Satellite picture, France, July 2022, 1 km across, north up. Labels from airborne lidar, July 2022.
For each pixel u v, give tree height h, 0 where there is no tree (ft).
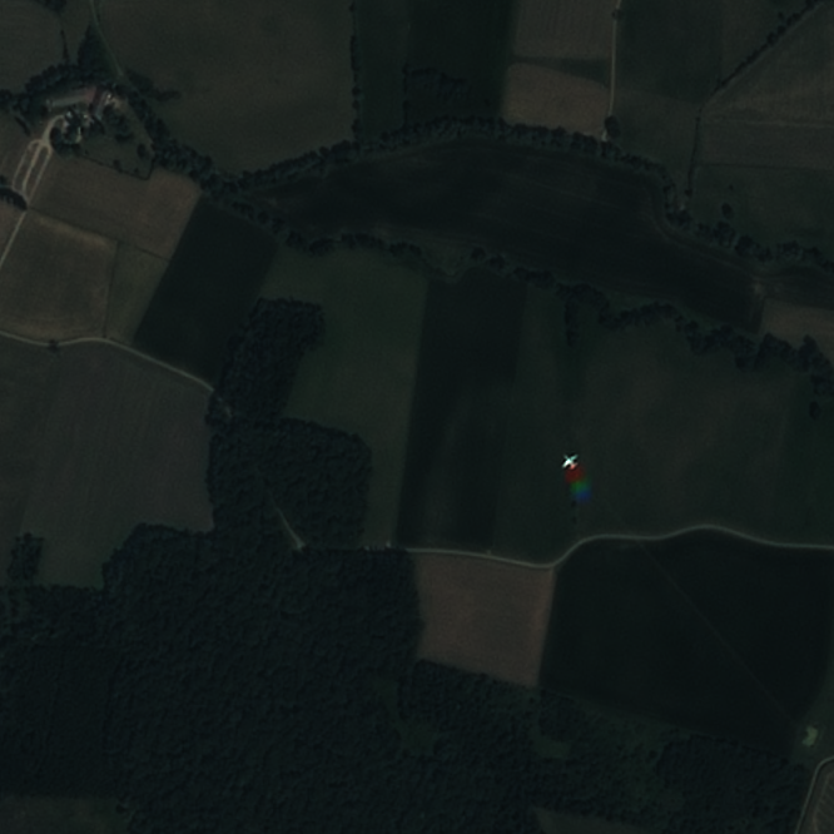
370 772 78
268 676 63
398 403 0
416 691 41
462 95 53
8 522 0
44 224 0
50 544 0
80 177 0
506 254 0
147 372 0
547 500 0
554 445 0
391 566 68
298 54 0
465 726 45
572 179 0
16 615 43
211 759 77
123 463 0
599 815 24
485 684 21
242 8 0
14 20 0
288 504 64
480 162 0
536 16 0
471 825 76
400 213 0
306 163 46
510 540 0
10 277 0
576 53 0
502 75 0
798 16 34
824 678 0
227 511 52
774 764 34
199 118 0
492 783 59
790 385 0
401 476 0
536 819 68
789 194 0
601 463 0
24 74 0
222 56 0
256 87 0
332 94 0
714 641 0
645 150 0
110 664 37
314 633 62
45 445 0
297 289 0
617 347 0
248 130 0
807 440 0
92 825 0
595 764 34
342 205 0
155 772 51
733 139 0
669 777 41
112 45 0
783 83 0
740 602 0
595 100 0
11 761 72
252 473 80
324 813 61
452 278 0
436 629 0
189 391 0
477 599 0
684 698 0
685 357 0
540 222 0
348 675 74
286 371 21
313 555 53
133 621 86
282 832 52
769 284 0
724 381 0
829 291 0
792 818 34
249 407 78
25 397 0
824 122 0
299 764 63
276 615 73
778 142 0
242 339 63
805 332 0
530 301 0
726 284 0
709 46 0
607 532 0
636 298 0
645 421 0
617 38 0
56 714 35
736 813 31
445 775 75
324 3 0
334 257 0
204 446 0
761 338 0
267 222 58
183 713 68
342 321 0
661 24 0
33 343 0
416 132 61
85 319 0
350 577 57
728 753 41
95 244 0
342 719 71
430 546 0
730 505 0
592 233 0
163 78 0
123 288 0
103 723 29
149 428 0
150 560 72
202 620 54
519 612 0
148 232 0
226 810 69
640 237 0
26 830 0
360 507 76
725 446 0
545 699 25
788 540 0
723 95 0
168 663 70
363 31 0
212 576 64
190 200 0
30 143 0
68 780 26
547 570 0
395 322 0
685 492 0
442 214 0
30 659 25
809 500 0
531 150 0
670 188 34
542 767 31
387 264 0
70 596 32
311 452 63
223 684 79
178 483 0
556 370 0
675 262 0
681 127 0
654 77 0
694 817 21
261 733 70
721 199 0
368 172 0
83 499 0
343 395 0
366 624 61
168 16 0
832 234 0
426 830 76
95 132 32
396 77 0
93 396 0
